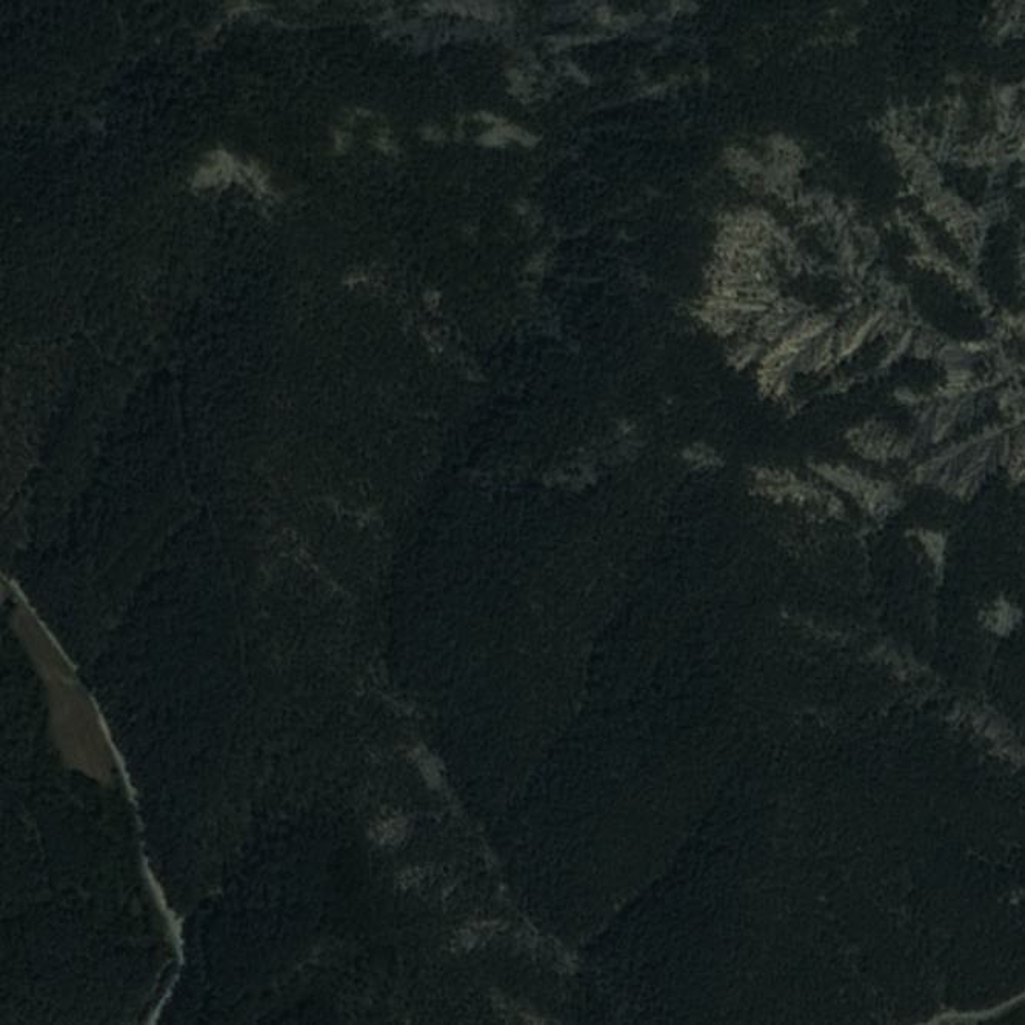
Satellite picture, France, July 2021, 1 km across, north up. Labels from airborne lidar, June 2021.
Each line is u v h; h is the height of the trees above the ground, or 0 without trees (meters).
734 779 10
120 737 19
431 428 9
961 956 7
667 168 8
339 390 10
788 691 7
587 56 7
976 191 10
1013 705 10
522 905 8
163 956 13
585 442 8
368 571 9
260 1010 23
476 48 10
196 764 20
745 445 9
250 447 8
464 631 7
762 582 8
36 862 10
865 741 9
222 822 14
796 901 10
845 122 8
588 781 9
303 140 8
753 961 9
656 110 7
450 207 11
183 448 12
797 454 9
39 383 15
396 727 10
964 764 11
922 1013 8
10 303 6
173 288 13
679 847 8
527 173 9
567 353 8
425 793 9
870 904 11
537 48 8
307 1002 9
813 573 8
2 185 11
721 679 8
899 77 10
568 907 11
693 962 6
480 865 10
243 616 12
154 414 21
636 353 7
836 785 8
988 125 6
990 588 8
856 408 8
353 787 11
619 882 9
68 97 12
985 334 11
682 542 8
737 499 6
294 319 9
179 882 22
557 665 7
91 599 15
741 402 9
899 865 10
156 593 17
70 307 8
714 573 8
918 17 9
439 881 7
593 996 13
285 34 9
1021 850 8
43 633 0
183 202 8
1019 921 13
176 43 10
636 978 9
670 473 7
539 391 12
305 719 13
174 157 7
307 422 10
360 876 7
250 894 19
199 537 16
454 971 9
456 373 9
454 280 9
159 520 8
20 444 17
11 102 12
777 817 9
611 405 7
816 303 6
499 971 8
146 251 6
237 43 11
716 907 7
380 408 10
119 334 13
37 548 23
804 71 11
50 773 7
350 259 7
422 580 11
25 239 10
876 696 9
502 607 8
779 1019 6
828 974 12
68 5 21
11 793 15
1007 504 9
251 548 13
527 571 8
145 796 17
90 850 16
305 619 9
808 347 0
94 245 7
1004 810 8
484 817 10
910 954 9
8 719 12
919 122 6
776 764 8
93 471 13
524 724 11
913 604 9
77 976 12
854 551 7
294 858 21
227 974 23
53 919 15
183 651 15
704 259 6
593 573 6
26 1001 10
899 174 7
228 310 11
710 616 10
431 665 10
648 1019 11
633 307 6
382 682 9
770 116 9
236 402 10
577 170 6
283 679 9
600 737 11
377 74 13
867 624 8
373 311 7
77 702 0
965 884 11
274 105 9
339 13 6
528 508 9
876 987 10
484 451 11
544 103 9
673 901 9
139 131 11
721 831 13
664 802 9
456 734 12
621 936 15
